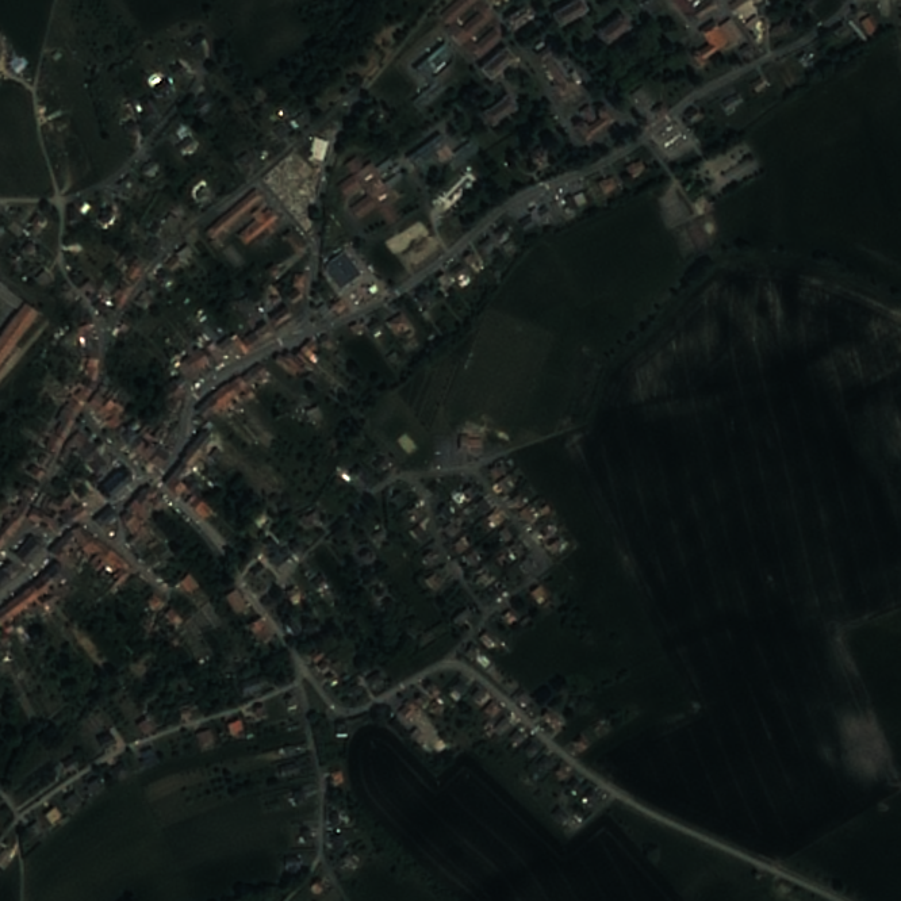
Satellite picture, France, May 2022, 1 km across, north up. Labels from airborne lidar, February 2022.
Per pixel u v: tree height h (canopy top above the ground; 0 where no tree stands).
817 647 0
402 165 0
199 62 0
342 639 12
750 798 0
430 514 0
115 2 0
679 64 0
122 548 0
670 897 0
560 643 0
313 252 0
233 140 0
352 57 17
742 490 0
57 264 0
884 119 0
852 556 0
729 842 0
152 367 7
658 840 0
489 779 0
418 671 0
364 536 8
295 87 17
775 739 0
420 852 0
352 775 0
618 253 0
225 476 0
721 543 0
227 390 0
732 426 0
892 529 0
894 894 0
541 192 0
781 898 0
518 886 0
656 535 0
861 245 0
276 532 7
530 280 0
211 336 0
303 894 0
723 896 0
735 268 0
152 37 0
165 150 0
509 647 0
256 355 0
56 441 0
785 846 0
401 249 0
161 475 0
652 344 0
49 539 0
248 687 0
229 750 0
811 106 0
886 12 0
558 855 0
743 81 0
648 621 0
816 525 0
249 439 0
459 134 10
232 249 0
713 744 0
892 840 0
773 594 0
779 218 0
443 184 15
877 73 0
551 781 0
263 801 0
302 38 0
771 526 0
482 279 0
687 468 0
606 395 0
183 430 0
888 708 0
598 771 0
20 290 0
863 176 0
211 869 0
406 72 0
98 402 0
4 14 0
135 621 0
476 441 0
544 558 0
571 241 0
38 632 19
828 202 0
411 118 0
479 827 0
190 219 0
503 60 0
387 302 0
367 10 27
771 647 0
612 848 0
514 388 0
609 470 0
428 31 0
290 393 0
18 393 0
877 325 0
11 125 0
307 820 0
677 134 0
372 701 0
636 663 0
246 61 0
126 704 0
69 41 0
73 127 0
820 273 0
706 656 0
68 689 15
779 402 0
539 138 7
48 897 0
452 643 0
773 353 0
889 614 0
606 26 0
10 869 0
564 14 0
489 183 14
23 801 0
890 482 0
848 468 0
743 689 0
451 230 0
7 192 0
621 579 0
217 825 0
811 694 0
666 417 0
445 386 0
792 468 0
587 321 0
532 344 0
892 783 0
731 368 0
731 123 0
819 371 0
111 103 0
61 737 12
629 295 0
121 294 0
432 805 0
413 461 0
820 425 0
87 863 0
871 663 0
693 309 0
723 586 0
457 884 0
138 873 0
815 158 0
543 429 0
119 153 0
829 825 0
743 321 0
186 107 10
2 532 0
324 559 0
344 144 10
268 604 6
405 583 0
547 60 0
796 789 0
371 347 0
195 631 0
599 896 0
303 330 0
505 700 0
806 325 0
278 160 0
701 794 0
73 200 0
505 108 0
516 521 0
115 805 0
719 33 0
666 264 0
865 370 0
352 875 0
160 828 0
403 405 0
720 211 0
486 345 0
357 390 7
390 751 0
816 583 0
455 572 0
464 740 0
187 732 7
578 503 0
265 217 0
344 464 0
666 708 0
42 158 0
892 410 0
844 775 0
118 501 0
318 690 0
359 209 0
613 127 0
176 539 12
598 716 0
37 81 0
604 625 0
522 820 0
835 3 0
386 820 0
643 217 0
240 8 0
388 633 20
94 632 12
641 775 0
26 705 0
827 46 8
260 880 0
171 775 0
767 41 0
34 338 0
